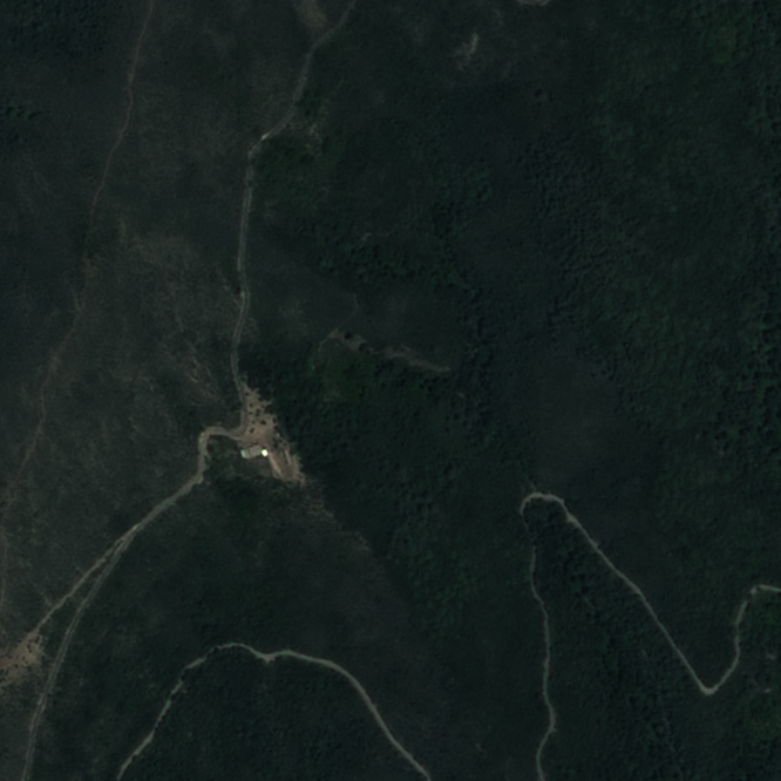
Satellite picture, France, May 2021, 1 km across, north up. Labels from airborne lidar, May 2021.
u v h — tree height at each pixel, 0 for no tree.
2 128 5
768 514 8
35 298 0
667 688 7
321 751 12
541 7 5
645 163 8
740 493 7
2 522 0
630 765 19
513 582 10
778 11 10
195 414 10
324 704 9
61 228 0
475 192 11
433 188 6
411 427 8
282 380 16
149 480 0
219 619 8
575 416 0
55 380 0
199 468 0
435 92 7
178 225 0
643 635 8
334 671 9
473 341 16
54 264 0
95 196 0
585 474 7
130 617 6
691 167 10
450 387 22
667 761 23
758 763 21
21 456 0
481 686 7
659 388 13
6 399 0
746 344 16
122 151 0
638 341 19
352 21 6
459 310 6
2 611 0
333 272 15
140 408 0
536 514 9
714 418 14
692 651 6
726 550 11
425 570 6
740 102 10
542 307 8
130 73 0
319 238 7
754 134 13
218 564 6
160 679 8
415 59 9
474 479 6
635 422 11
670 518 8
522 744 7
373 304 7
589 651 7
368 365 9
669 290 7
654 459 9
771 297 17
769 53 5
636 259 7
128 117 0
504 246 7
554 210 17
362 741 10
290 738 12
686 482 7
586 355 7
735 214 10
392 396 6
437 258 7
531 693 9
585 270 19
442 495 9
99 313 0
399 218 6
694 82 9
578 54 7
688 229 9
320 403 12
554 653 8
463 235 9
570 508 11
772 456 17
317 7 0
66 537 0
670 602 9
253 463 0
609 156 11
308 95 11
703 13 17
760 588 7
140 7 0
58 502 0
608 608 13
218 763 9
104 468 0
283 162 6
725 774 15
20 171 0
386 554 10
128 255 0
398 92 6
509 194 7
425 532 12
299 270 6
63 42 7
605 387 5
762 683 13
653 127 9
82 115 0
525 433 9
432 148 11
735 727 12
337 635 6
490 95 6
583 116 7
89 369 0
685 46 8
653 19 6
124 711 6
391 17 7
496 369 9
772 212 20
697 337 7
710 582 12
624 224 7
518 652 6
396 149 7
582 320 12
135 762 7
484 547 7
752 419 17
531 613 6
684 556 11
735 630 14
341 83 6
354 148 7
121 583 6
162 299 0
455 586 9
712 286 11
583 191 12
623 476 6
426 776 8
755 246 11
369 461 7
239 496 7
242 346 7
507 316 8
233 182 8
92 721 5
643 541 6
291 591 5
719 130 7
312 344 12
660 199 10
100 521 0
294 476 0
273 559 6
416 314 6
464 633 8
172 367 0
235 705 18
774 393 28
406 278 7
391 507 8
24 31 10
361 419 7
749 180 13
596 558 11
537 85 6
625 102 9
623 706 17
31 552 0
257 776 10
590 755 8
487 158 6
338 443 10
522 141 8
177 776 8
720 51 7
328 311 0
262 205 5
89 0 13
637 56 10
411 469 7
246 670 16
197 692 14
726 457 7
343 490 6
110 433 0
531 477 7
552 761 7
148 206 0
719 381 18
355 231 6
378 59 6
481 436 17
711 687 7
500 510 11
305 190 8
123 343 0
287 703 13
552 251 7
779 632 9
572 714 6
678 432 9
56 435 0
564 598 18
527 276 6
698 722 6
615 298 8
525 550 6
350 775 9
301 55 6
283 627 6
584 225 14
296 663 7
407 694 7
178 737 8
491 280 8
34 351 0
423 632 5
